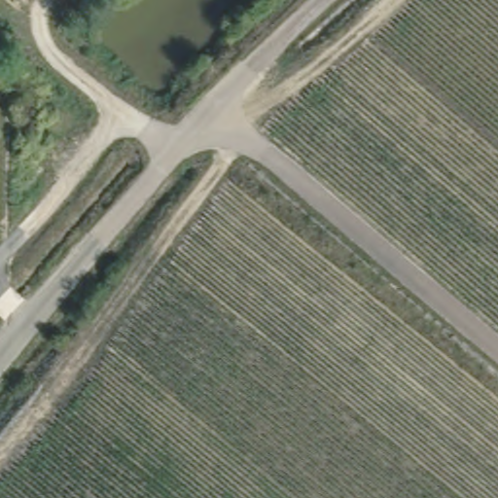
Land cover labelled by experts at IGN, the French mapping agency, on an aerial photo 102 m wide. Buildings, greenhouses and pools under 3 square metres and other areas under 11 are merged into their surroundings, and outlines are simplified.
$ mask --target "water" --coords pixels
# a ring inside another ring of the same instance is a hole
[[[117,16],[111,19],[111,23],[101,35],[101,43],[123,64],[144,88],[160,89],[163,74],[171,68],[171,64],[185,72],[195,66],[200,56],[212,56],[214,60],[226,51],[228,43],[222,31],[222,19],[230,19],[237,27],[241,16],[253,8],[257,0],[140,0],[132,8],[117,12]]]

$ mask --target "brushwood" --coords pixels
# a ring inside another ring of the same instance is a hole
[[[60,333],[54,323],[62,321],[62,313],[56,309],[47,323],[37,325],[39,333],[23,348],[14,366],[8,372],[0,370],[0,430],[29,401],[37,385],[41,383],[43,375],[51,372],[58,350],[56,337]]]
[[[123,64],[109,76],[105,74],[105,78],[99,82],[109,91],[113,91],[117,97],[121,97],[124,103],[132,105],[134,109],[150,117],[156,111],[175,109],[177,99],[191,88],[191,80],[198,80],[206,70],[210,70],[210,64],[214,60],[212,56],[200,56],[195,66],[185,72],[171,64],[171,68],[163,74],[160,89],[144,88]]]

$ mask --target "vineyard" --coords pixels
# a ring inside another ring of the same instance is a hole
[[[245,189],[235,185],[224,175],[204,198],[204,202],[193,214],[193,218],[185,224],[185,228],[177,233],[171,247],[161,257],[160,263],[148,274],[140,290],[130,298],[123,313],[113,321],[107,337],[101,340],[88,364],[76,373],[70,387],[58,397],[51,412],[35,424],[35,428],[27,434],[23,442],[16,444],[10,459],[0,457],[0,498],[498,498],[498,362],[492,356],[488,356],[471,338],[461,335],[453,325],[449,325],[436,309],[422,302],[414,305],[416,313],[410,315],[409,321],[405,321],[389,305],[379,302],[372,296],[368,288],[358,284],[344,268],[338,268],[335,263],[325,259],[319,253],[319,249],[307,243],[296,231],[290,230],[284,222],[280,222],[263,206],[261,196],[253,198]]]
[[[268,109],[255,124],[259,134],[268,138],[270,144],[274,144],[292,158],[298,156],[307,173],[315,175],[329,189],[338,193],[342,200],[348,200],[358,212],[362,212],[379,228],[387,231],[389,239],[401,241],[410,255],[414,255],[422,263],[422,267],[428,270],[428,274],[434,280],[438,280],[453,298],[461,300],[471,311],[480,311],[484,317],[490,319],[492,329],[498,331],[498,0],[407,0],[391,18],[383,21],[383,25],[379,25],[373,33],[360,37],[360,41],[354,47],[340,54],[335,64],[321,76],[317,76],[315,82],[309,82],[300,89],[298,95],[292,95],[282,103],[274,105],[272,109]]]

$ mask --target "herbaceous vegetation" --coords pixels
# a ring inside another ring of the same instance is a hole
[[[136,249],[152,237],[154,231],[161,230],[167,224],[173,210],[193,191],[196,181],[208,171],[214,154],[212,150],[204,150],[181,161],[173,169],[173,173],[161,183],[156,193],[158,198],[154,200],[150,210],[140,210],[132,218],[132,222],[111,241],[107,251],[113,251],[123,267],[132,261]]]
[[[307,66],[323,47],[329,47],[340,33],[350,29],[375,0],[335,0],[286,47],[286,51],[280,54],[280,58],[268,70],[261,84],[267,89],[280,86],[294,72]]]
[[[214,88],[230,72],[231,66],[235,66],[241,58],[251,53],[261,41],[265,41],[268,35],[292,12],[296,12],[305,0],[288,0],[272,16],[257,23],[241,41],[228,43],[226,51],[214,60],[210,64],[210,70],[206,70],[198,80],[191,80],[191,88],[177,99],[175,109],[156,111],[150,117],[150,119],[165,124],[179,123],[208,89]]]
[[[373,261],[372,257],[360,245],[356,245],[344,231],[338,230],[337,226],[333,226],[321,212],[317,212],[303,196],[298,195],[292,187],[288,187],[270,167],[249,156],[237,156],[230,165],[224,175],[235,185],[245,189],[253,198],[261,196],[263,206],[280,222],[284,222],[290,230],[296,231],[307,243],[319,249],[319,253],[325,259],[335,263],[338,268],[344,268],[358,284],[368,288],[372,296],[379,302],[389,305],[405,321],[409,321],[410,315],[416,313],[414,305],[422,302],[399,278],[395,278],[377,261]]]
[[[105,66],[99,66],[88,56],[84,56],[88,53],[88,47],[80,47],[82,35],[72,35],[66,27],[49,27],[54,45],[66,56],[70,56],[76,66],[86,70],[91,78],[99,82],[105,78],[105,74]]]
[[[74,158],[76,150],[91,134],[99,119],[95,103],[86,93],[82,93],[54,70],[33,39],[31,8],[33,4],[43,4],[43,0],[0,0],[0,18],[8,21],[8,25],[16,33],[16,47],[19,53],[25,54],[25,58],[33,64],[33,70],[29,72],[27,80],[16,84],[12,91],[4,93],[0,89],[0,241],[10,237],[19,228],[19,224],[41,202],[41,198],[53,189],[56,173]]]
[[[68,251],[107,214],[107,210],[146,169],[150,161],[148,150],[138,138],[134,138],[123,136],[111,142],[91,165],[84,179],[76,185],[76,189],[54,210],[53,216],[29,237],[29,241],[19,249],[12,261],[12,290],[16,290],[21,298],[31,296],[51,274],[51,270],[62,263]]]

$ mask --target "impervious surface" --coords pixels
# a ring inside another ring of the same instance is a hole
[[[268,138],[259,134],[255,124],[245,117],[243,101],[261,84],[268,70],[280,58],[280,54],[286,51],[286,47],[335,0],[305,0],[296,12],[292,12],[268,35],[265,41],[261,41],[251,53],[241,58],[235,66],[231,66],[230,72],[214,88],[208,89],[179,123],[165,124],[150,119],[134,138],[138,138],[148,150],[150,161],[146,169],[107,210],[107,214],[68,251],[62,263],[51,270],[51,274],[31,296],[21,298],[16,290],[12,290],[12,261],[19,249],[29,241],[29,237],[19,228],[10,237],[0,241],[0,370],[8,372],[14,366],[23,348],[39,333],[37,325],[47,323],[56,309],[60,298],[74,290],[78,276],[95,267],[97,257],[107,251],[111,241],[132,222],[132,218],[140,210],[150,210],[154,200],[158,198],[156,193],[161,183],[173,173],[173,169],[181,161],[204,150],[212,150],[214,154],[220,160],[228,161],[230,165],[237,156],[249,156],[270,167],[288,187],[292,187],[298,195],[303,196],[317,212],[321,212],[333,226],[337,226],[338,230],[344,231],[356,245],[360,245],[372,257],[373,261],[377,261],[395,278],[399,278],[422,302],[436,309],[449,325],[453,325],[461,335],[471,338],[488,356],[492,356],[498,362],[498,331],[492,329],[490,319],[484,317],[480,311],[471,311],[461,300],[453,298],[438,280],[434,280],[428,274],[428,270],[422,267],[422,263],[414,255],[410,255],[401,241],[389,239],[387,231],[379,228],[362,212],[358,212],[348,200],[342,200],[338,193],[329,189],[315,175],[307,173],[298,156],[292,158],[274,144],[270,144]]]

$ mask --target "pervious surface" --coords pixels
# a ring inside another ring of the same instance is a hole
[[[391,18],[407,0],[375,0],[350,29],[340,33],[329,47],[323,47],[307,66],[294,72],[280,86],[267,89],[261,84],[243,101],[245,117],[255,124],[268,109],[272,109],[274,105],[282,103],[292,95],[298,95],[300,89],[309,82],[315,82],[317,76],[321,76],[335,64],[340,54],[354,47],[360,41],[360,37],[373,33],[379,25],[383,25],[383,21]]]
[[[121,97],[117,97],[113,91],[109,91],[99,82],[91,78],[86,70],[76,66],[70,56],[66,56],[54,45],[49,27],[47,8],[53,4],[53,0],[43,0],[43,4],[33,4],[31,8],[33,39],[54,70],[82,93],[86,93],[95,103],[99,119],[91,134],[76,150],[74,158],[56,173],[53,189],[41,198],[41,202],[19,224],[19,228],[29,237],[53,216],[54,210],[76,189],[76,185],[84,179],[91,165],[111,142],[123,136],[134,138],[150,119],[150,117],[134,109],[132,105],[124,103]]]
[[[16,444],[23,442],[27,434],[35,428],[35,424],[51,412],[58,397],[70,387],[76,373],[88,364],[101,340],[107,337],[113,321],[123,313],[130,298],[140,290],[148,274],[160,263],[161,257],[171,247],[177,233],[185,228],[185,224],[193,218],[193,214],[204,202],[204,198],[224,175],[230,165],[228,161],[220,160],[214,154],[208,171],[196,181],[193,191],[173,210],[167,224],[161,230],[154,231],[152,237],[136,249],[132,261],[123,267],[121,286],[111,292],[111,296],[103,303],[101,311],[95,313],[93,319],[84,317],[80,321],[78,335],[76,338],[70,338],[68,350],[58,350],[51,372],[43,375],[41,383],[37,385],[29,401],[0,430],[0,457],[10,459]]]

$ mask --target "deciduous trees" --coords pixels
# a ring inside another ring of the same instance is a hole
[[[60,298],[56,309],[62,313],[62,321],[54,323],[60,333],[56,337],[58,350],[68,350],[70,338],[76,338],[78,335],[80,321],[84,317],[93,319],[95,313],[101,311],[103,303],[111,296],[111,292],[121,286],[123,267],[113,251],[107,251],[97,257],[95,267],[78,276],[74,290]]]
[[[27,80],[29,72],[33,70],[33,64],[25,58],[25,54],[19,53],[16,47],[16,33],[8,25],[8,21],[0,18],[0,89],[4,93],[12,91],[16,84]]]
[[[241,41],[257,23],[272,16],[288,0],[257,0],[253,8],[241,16],[237,27],[230,19],[222,19],[222,31],[228,43]]]
[[[47,8],[49,27],[66,27],[72,35],[82,35],[80,47],[88,47],[88,53],[84,56],[88,56],[99,66],[105,66],[105,74],[109,76],[123,64],[101,43],[101,35],[111,23],[111,19],[117,16],[117,12],[132,8],[140,0],[53,0],[53,4]]]

